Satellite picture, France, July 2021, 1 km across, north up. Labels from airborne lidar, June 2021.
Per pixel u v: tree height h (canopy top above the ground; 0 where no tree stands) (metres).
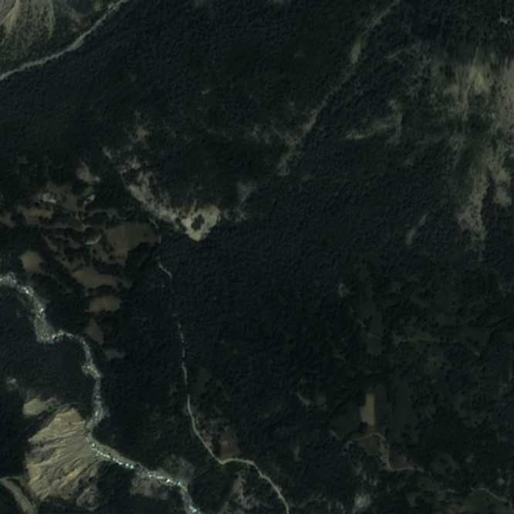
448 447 14
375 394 0
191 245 9
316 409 7
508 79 0
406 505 15
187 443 6
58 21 6
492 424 6
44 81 13
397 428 0
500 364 18
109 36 9
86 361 9
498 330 12
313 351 24
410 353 12
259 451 10
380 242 17
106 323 13
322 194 14
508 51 9
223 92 10
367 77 10
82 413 7
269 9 12
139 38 11
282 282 13
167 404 11
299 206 16
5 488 7
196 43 10
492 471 8
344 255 12
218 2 11
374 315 0
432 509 12
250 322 9
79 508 11
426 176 13
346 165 14
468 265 11
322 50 9
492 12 10
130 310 11
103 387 9
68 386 6
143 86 8
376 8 6
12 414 13
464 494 10
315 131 12
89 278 0
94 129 12
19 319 6
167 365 15
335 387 18
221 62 10
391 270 12
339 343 14
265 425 10
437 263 9
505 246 12
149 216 8
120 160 6
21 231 16
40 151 12
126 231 0
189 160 12
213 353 8
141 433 12
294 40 6
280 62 8
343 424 0
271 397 13
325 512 12
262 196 11
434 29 12
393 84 18
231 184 11
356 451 10
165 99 14
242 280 19
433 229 8
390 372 8
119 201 13
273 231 10
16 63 6
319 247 16
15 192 10
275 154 8
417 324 11
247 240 15
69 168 13
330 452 14
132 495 8
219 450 10
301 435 9
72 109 11
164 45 11
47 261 17
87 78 11
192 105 9
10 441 22
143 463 12
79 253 10
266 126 9
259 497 8
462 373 11
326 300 13
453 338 9
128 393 19
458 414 8
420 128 10
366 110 8
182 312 14
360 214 11
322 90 12
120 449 8
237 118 15
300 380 9
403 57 6
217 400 7
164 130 10
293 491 7
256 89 8
